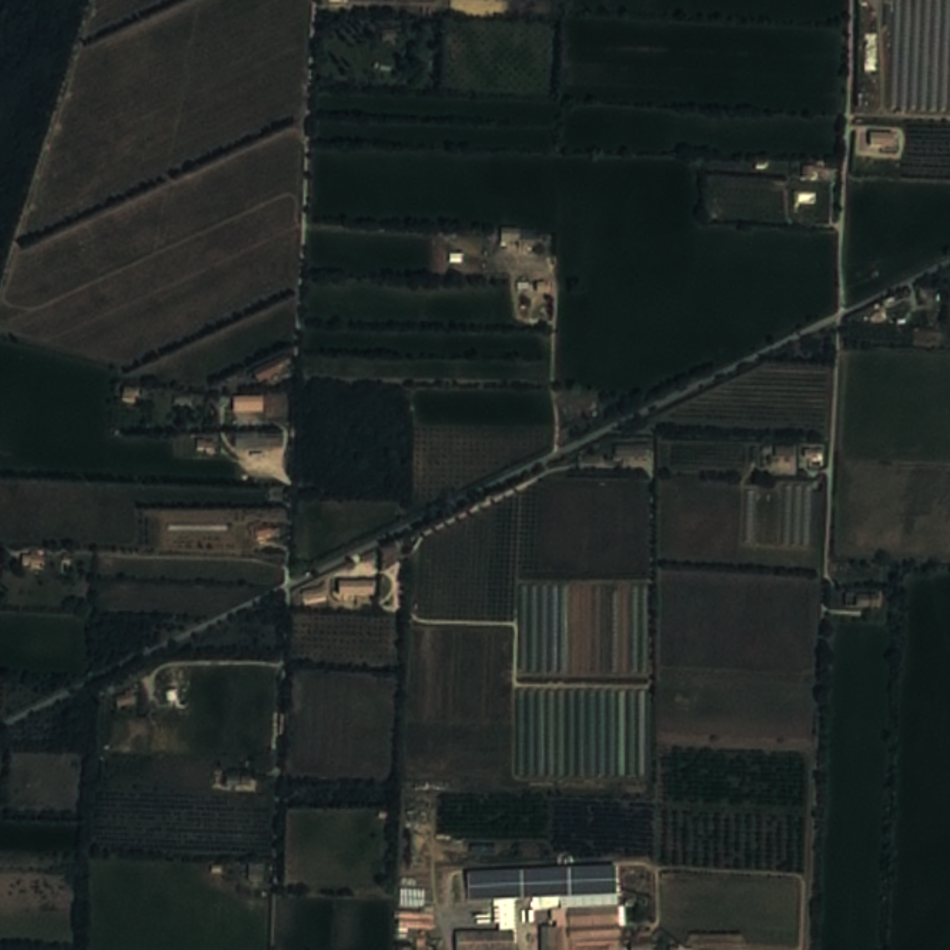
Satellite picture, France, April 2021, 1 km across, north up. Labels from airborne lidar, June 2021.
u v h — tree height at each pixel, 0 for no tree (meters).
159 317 0
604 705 0
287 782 9
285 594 7
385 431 9
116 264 0
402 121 10
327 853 0
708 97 0
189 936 0
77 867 7
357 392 8
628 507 0
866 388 0
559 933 0
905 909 0
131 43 0
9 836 0
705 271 0
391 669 9
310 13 0
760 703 0
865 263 0
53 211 0
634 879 0
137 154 0
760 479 12
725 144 0
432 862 0
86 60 0
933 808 0
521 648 0
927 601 0
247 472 0
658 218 0
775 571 7
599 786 0
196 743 0
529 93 0
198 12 0
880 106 0
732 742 0
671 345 0
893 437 0
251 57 0
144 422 8
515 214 0
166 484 18
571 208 0
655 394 8
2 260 7
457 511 17
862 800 0
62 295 0
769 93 0
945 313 7
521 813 6
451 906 0
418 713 0
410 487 6
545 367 0
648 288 0
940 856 0
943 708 0
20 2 7
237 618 8
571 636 0
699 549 0
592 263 0
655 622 8
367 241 0
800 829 5
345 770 0
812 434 7
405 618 11
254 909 0
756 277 0
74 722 15
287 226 0
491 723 0
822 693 12
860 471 0
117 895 0
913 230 0
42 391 0
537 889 0
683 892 0
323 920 0
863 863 0
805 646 0
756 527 0
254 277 0
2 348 0
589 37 0
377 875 0
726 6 0
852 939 0
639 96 0
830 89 0
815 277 0
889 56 0
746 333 0
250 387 7
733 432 6
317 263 0
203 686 0
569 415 0
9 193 7
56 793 0
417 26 9
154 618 6
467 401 0
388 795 8
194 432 8
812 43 0
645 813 5
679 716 0
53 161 0
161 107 0
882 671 0
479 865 0
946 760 0
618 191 0
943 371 0
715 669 0
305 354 10
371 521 0
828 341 5
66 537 0
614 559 0
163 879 0
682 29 0
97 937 0
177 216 0
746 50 0
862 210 0
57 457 0
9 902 0
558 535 0
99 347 0
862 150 0
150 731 0
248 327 0
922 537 0
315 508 0
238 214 0
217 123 0
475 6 0
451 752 0
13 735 10
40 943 8
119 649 6
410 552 9
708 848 6
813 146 0
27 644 0
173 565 0
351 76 6
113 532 0
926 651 0
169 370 0
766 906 0
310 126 10
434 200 0
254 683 0
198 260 0
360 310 0
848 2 0
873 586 10
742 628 0
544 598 0
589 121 0
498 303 0
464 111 0
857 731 0
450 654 0
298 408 10
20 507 0
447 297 0
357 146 14
